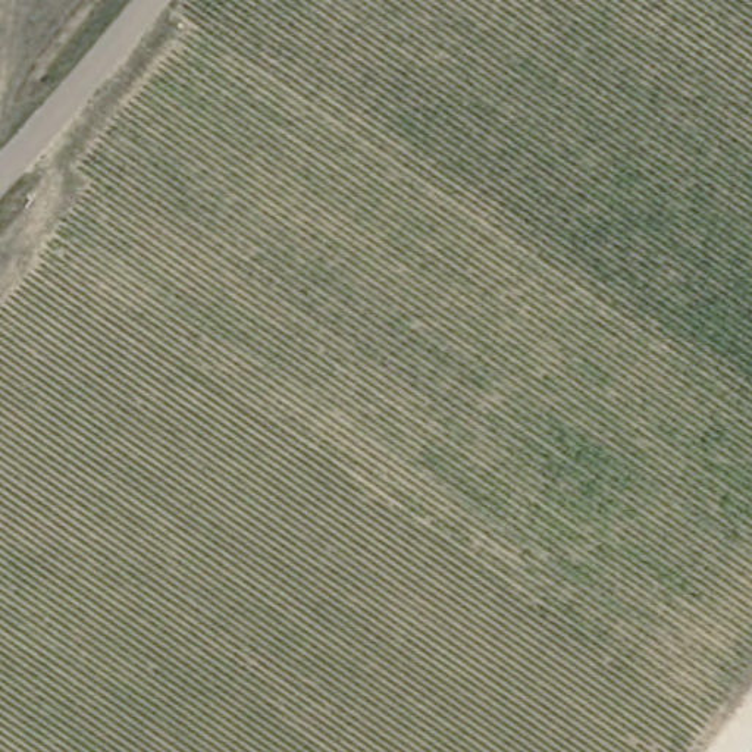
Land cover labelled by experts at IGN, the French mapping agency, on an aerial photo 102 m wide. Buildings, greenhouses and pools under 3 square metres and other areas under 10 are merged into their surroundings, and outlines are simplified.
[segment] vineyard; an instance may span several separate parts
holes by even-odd
[[[88,103],[82,123],[76,123],[68,132],[65,147],[50,162],[41,162],[35,170],[41,182],[29,191],[26,212],[0,235],[0,752],[708,752],[714,737],[723,731],[723,726],[734,717],[737,705],[752,690],[752,0],[170,0],[159,15],[153,32],[135,47],[126,68],[118,71],[112,82],[94,91],[94,100]]]

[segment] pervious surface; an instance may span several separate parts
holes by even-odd
[[[714,737],[708,752],[752,752],[752,690],[737,705],[734,717],[723,726],[723,731]]]

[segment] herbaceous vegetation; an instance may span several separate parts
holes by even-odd
[[[118,21],[118,15],[132,0],[0,0],[0,150],[50,100],[59,82],[85,59],[97,38]]]
[[[41,182],[35,170],[18,176],[0,197],[0,235],[26,212],[29,191]]]

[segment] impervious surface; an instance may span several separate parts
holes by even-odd
[[[153,32],[159,15],[170,0],[132,0],[118,15],[118,21],[97,38],[85,59],[59,82],[50,100],[0,150],[0,197],[18,176],[35,170],[41,162],[50,162],[65,147],[68,132],[76,123],[82,123],[88,103],[94,100],[94,91],[112,82],[118,71],[126,68],[135,47]]]

